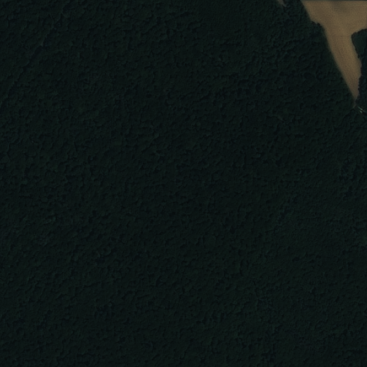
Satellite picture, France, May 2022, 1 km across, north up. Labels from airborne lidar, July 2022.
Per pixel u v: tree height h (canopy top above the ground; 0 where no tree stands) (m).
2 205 28
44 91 27
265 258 22
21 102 27
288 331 27
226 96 29
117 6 27
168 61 27
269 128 31
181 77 25
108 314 30
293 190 17
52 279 24
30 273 23
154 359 26
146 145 24
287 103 31
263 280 21
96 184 28
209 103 29
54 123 25
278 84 31
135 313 28
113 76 13
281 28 23
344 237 29
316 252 24
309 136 29
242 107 30
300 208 25
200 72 26
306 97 29
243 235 30
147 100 26
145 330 32
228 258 29
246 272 23
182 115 24
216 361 27
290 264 23
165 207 30
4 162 30
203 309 28
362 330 26
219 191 31
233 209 26
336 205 28
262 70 27
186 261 21
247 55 23
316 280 16
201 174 28
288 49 17
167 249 25
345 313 20
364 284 20
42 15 28
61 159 26
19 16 30
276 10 31
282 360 26
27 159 33
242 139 30
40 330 30
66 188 28
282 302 21
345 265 24
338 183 25
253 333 28
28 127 24
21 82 28
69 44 24
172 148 26
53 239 28
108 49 26
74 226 26
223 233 29
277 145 29
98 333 27
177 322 24
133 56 31
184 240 24
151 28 26
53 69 27
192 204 30
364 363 29
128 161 24
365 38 10
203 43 30
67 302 26
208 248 28
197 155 26
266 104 33
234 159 27
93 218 26
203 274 27
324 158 23
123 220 29
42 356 31
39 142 27
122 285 30
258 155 28
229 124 27
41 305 27
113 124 21
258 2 25
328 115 26
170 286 25
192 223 29
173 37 29
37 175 27
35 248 24
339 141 22
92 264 29
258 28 26
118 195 20
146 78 25
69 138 21
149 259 28
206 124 27
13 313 22
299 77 27
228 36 21
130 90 25
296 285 19
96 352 22
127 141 28
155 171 8
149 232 30
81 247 28
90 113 24
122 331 31
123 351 29
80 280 23
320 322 21
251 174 27
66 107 25
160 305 25
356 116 26
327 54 23
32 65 26
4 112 22
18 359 29
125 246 26
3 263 25
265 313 26
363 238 33
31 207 27
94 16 29
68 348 26
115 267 22
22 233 25
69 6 24
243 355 31
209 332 26
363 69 17
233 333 28
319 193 25
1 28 28
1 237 21
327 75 29
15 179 30
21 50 24
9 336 29
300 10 14
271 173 28
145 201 29
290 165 23
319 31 19
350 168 27
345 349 26
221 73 26
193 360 31
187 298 31
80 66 24
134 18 28
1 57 30
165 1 23
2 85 25
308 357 28
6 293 23
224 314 26
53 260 27
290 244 22
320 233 23
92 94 22
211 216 24
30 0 15
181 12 27
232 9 21
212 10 21
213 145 23
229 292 29
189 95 19
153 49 27
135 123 26
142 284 26
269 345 25
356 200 31
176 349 27
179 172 22
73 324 29
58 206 27
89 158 24
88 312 27
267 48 23
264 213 26
